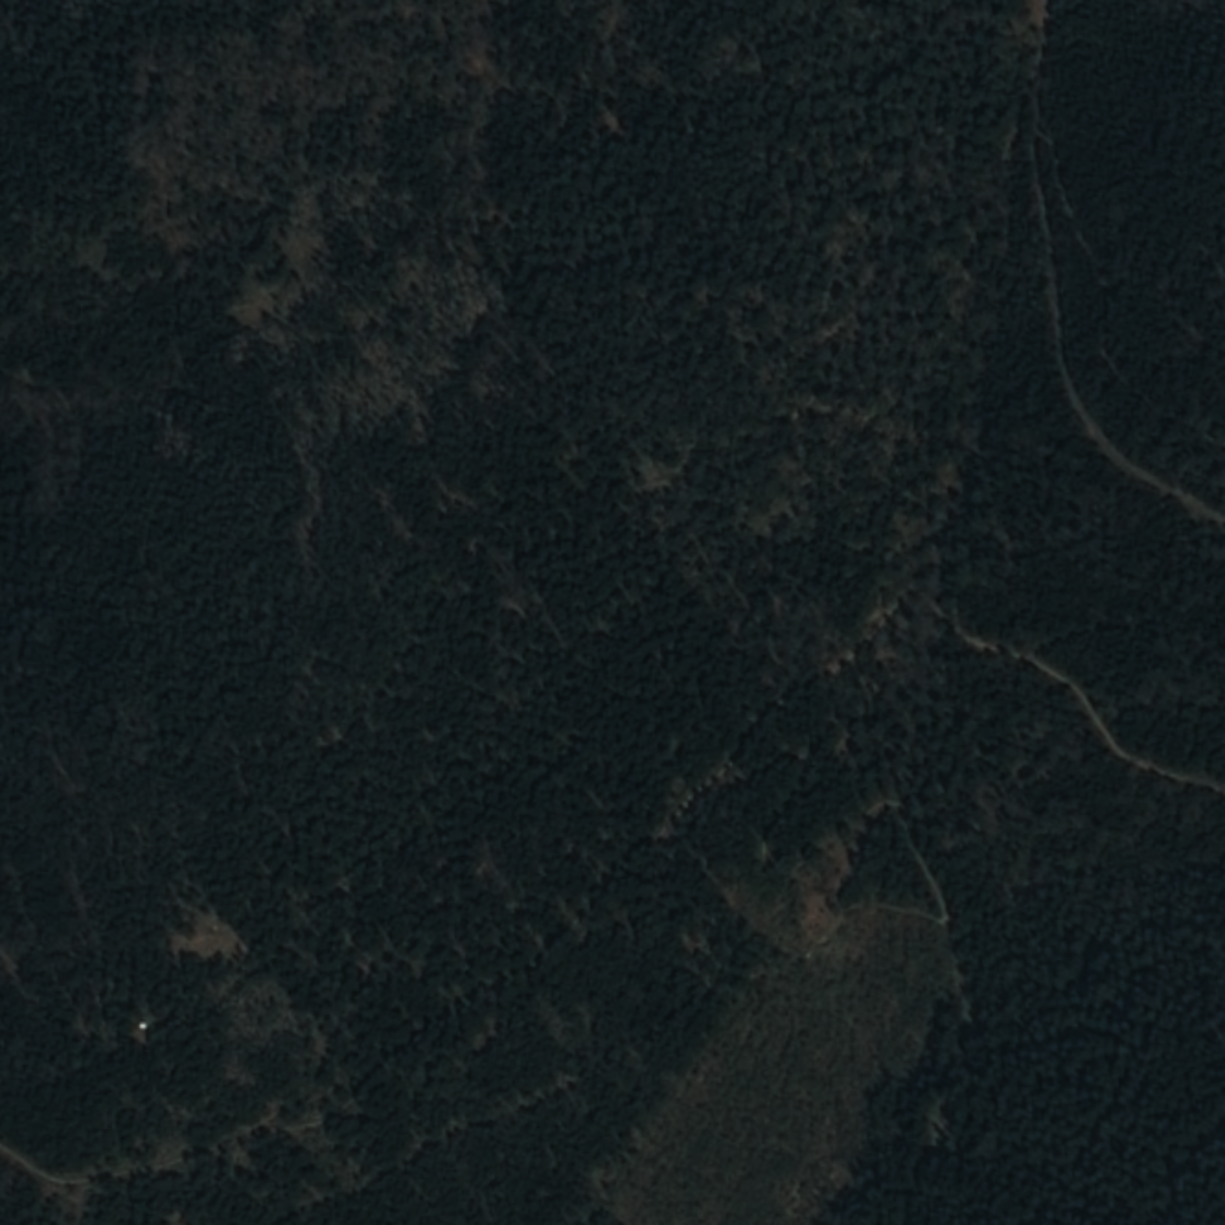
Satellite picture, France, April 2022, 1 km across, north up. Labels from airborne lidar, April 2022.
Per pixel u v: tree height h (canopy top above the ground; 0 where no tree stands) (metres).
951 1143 11
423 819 28
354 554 26
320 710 22
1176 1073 27
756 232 19
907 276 27
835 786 24
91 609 18
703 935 23
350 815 29
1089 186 13
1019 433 22
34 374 16
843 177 12
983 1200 24
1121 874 10
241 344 21
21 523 13
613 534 21
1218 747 19
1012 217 10
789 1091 13
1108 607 9
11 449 18
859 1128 8
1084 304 14
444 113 9
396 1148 23
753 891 6
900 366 20
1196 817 13
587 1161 18
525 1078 19
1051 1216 25
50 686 14
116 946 21
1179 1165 25
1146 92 14
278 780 24
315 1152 8
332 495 21
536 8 9
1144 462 12
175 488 21
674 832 17
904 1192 27
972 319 20
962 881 21
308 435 17
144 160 13
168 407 11
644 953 20
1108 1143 20
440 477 22
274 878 13
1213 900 29
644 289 16
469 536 26
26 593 25
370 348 23
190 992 17
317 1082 11
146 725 22
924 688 21
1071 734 16
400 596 28
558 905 28
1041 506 19
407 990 27
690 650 31
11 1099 11
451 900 26
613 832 28
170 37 13
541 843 28
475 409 25
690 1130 11
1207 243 20
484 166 20
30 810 18
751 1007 7
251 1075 22
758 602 17
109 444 23
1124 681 15
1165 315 17
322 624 23
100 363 22
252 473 21
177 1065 19
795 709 25
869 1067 6
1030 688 23
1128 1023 15
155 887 23
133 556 16
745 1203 12
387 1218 19
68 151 12
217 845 14
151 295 10
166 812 20
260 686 21
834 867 6
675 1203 6
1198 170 21
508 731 31
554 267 9
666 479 0
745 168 20
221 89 9
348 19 8
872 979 12
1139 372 18
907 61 12
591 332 18
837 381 29
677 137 21
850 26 22
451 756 26
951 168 28
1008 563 22
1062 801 14
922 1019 10
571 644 26
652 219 13
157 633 16
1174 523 11
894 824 18
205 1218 30
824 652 22
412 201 20
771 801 22
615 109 21
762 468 24
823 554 15
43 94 13
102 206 10
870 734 17
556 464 14
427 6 15
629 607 26
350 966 25
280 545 22
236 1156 16
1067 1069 26
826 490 21
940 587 25
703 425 26
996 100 31
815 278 20
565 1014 18
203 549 18
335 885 14
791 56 34
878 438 13
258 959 23
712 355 20
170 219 10
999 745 15
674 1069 21
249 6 17
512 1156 22
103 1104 22
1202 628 22
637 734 28
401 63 8
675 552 31
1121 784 11
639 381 26
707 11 12
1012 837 20
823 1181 9
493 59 14
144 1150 7
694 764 24
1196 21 20
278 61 10
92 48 20
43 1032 15
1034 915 25
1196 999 27
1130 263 17
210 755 22
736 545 19
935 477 11
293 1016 23
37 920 17
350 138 11
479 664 22
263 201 17
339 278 14
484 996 25
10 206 15
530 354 28
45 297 17
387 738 24
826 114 39
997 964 31
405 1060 30
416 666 27
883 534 25
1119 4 14
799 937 6
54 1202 8
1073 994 25
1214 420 24
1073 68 15
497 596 27
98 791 19
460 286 22
